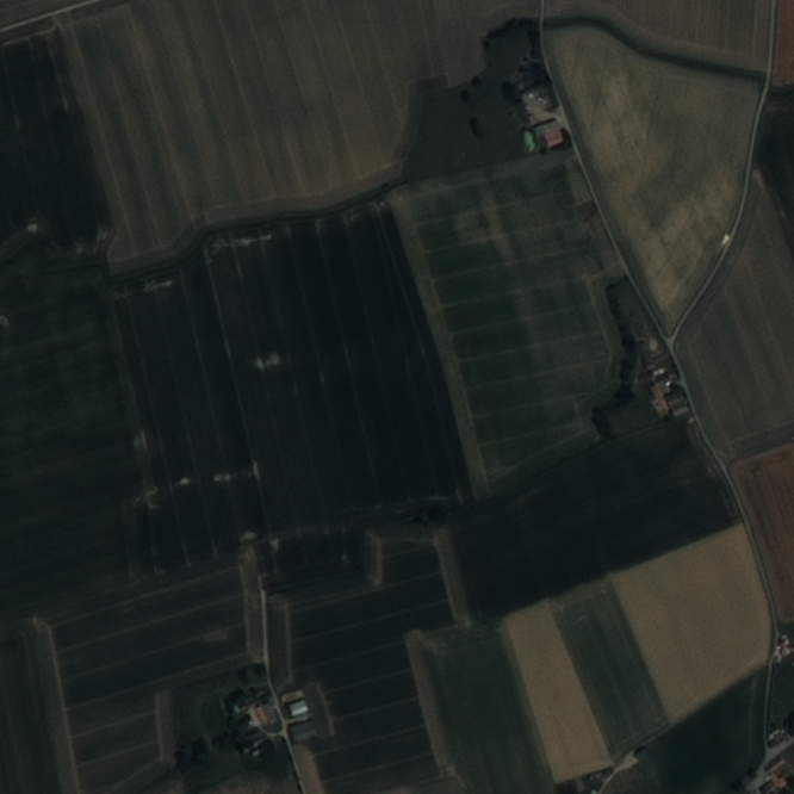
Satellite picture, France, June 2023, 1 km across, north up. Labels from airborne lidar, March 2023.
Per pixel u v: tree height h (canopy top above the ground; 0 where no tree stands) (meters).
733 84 0
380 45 0
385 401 0
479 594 0
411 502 0
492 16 0
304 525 0
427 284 0
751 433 0
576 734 0
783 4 0
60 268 0
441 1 0
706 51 0
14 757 0
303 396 0
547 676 0
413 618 0
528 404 0
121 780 0
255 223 0
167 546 0
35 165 0
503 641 0
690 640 0
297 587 0
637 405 0
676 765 0
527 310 0
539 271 0
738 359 0
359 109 0
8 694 0
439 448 0
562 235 0
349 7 0
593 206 0
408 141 0
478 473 0
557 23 0
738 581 0
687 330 0
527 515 0
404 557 0
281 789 0
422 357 0
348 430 0
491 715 0
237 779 0
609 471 0
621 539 0
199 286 0
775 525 0
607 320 0
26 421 0
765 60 0
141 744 0
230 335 0
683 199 0
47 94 0
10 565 0
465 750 0
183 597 0
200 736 0
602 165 0
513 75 0
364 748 0
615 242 0
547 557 0
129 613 0
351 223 0
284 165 0
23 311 0
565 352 0
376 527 0
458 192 0
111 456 0
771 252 0
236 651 0
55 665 0
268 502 0
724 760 0
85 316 0
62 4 0
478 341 0
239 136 0
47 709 0
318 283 0
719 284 0
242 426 0
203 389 0
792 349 0
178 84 0
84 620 0
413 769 0
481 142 0
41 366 0
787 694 0
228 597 0
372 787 0
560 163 0
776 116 0
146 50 0
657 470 0
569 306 0
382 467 0
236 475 0
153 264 0
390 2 0
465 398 0
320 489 0
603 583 0
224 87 0
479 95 0
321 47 0
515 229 0
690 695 0
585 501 0
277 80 0
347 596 0
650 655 0
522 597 0
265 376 0
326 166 0
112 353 0
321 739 0
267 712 0
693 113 0
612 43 0
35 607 0
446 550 0
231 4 0
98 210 0
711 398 0
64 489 0
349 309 0
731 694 0
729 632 0
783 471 0
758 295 0
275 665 0
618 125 0
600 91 0
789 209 0
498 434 0
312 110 0
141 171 0
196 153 0
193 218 0
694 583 0
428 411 0
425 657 0
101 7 0
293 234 0
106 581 0
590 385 0
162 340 0
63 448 0
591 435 0
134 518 0
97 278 0
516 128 0
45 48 0
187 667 0
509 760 0
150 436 0
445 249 0
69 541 0
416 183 0
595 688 0
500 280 0
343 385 0
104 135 0
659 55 0
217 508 0
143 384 0
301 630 0
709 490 0
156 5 0
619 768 0
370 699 0
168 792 0
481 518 0
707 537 0
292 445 0
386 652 0
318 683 0
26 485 0
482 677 0
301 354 0
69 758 0
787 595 0
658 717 0
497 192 0
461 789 0
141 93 0
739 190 0
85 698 0
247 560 0
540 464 0
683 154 0
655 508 0
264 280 0
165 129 0
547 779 0
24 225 0
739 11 0
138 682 0
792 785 13
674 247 0
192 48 0
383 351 0
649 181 0
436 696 0
